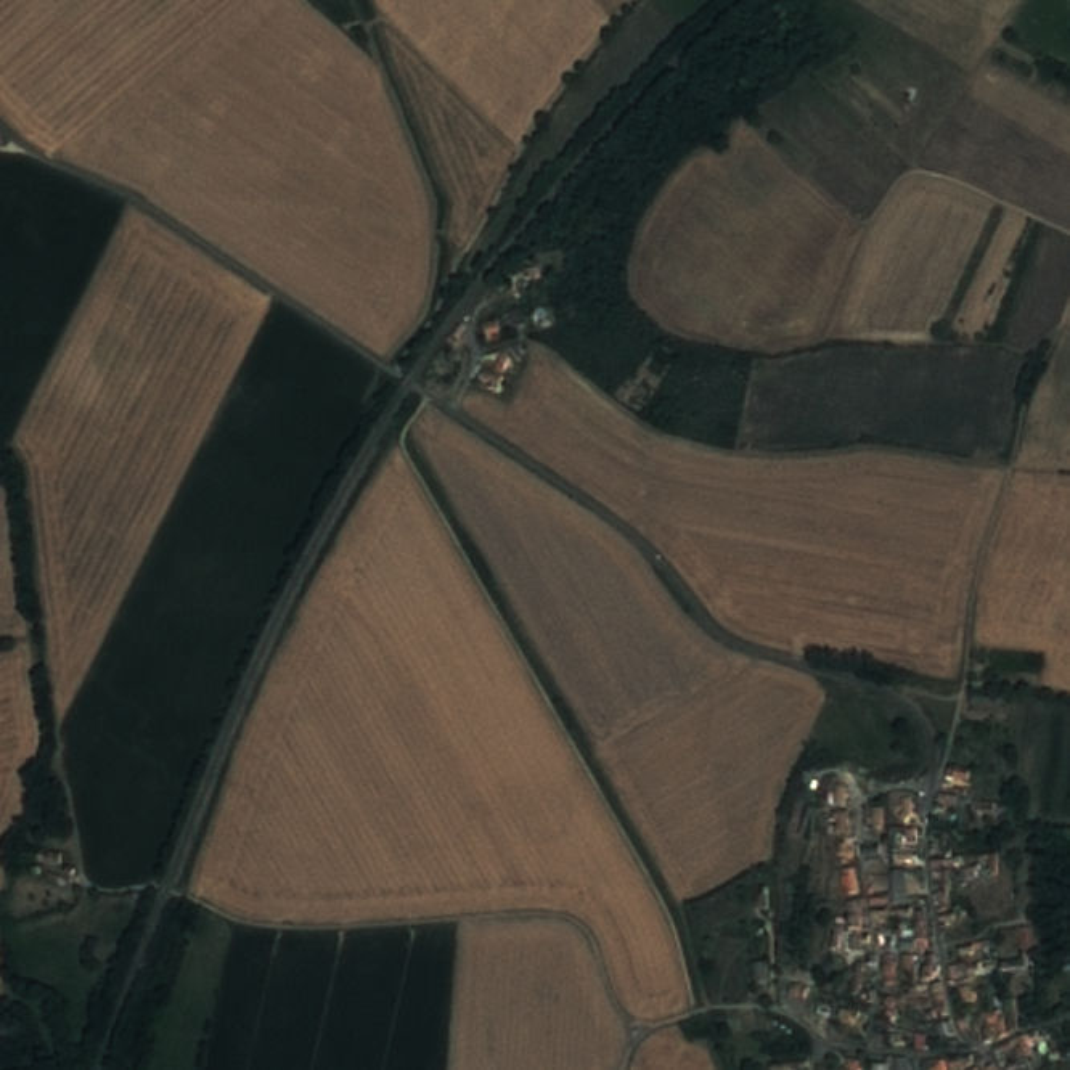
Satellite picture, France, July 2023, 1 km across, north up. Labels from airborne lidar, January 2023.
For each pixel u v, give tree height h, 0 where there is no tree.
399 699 0
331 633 0
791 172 0
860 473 0
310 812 0
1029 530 0
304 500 0
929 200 0
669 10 0
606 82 0
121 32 0
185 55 0
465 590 0
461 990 0
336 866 0
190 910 10
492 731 0
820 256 0
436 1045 0
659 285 0
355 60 0
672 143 12
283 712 0
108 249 0
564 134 0
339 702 0
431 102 0
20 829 13
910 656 0
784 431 0
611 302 7
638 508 0
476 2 0
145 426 0
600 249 9
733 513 0
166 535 0
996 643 0
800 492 0
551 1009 0
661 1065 0
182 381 0
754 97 13
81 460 0
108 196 0
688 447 0
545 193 11
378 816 0
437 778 0
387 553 0
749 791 0
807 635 0
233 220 0
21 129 0
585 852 0
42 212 0
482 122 0
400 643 0
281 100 0
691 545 0
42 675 17
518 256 14
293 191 0
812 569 0
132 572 0
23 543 19
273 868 0
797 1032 5
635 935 0
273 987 0
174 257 0
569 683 0
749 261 0
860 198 0
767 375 0
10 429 0
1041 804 0
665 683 0
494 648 0
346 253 0
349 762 0
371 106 0
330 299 0
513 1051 0
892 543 0
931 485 0
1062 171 0
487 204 0
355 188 0
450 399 0
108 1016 13
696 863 0
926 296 0
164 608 0
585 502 0
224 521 0
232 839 0
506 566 0
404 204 0
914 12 0
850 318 0
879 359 0
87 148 0
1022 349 0
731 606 0
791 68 6
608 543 0
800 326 0
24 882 0
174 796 0
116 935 0
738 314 0
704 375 6
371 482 0
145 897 9
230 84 0
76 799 0
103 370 0
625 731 0
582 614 0
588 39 0
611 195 15
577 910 0
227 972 0
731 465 0
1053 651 0
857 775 0
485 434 0
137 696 0
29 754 0
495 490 0
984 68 0
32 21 0
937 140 0
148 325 0
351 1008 0
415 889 0
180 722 0
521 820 0
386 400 8
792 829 0
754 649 0
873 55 0
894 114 0
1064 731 0
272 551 0
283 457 0
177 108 0
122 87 0
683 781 0
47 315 0
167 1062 0
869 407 0
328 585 0
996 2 0
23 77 0
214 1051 0
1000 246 0
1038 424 0
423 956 0
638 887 0
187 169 0
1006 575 0
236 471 0
